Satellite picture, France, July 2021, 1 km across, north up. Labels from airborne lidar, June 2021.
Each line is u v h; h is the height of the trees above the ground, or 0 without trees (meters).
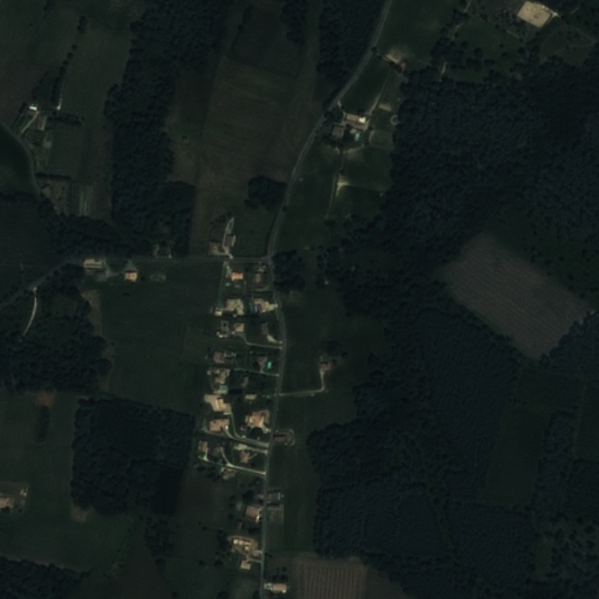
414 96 14
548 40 0
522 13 0
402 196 21
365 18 7
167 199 9
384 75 0
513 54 0
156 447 8
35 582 13
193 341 0
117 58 0
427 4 0
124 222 20
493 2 0
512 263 0
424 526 10
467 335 15
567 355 21
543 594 12
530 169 27
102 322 0
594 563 21
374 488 18
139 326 0
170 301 0
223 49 12
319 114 0
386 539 13
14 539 0
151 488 20
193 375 0
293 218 0
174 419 10
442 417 13
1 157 0
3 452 0
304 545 0
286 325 0
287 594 0
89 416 19
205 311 0
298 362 0
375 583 0
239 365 0
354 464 21
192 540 0
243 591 0
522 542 15
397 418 20
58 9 0
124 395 0
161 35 6
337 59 7
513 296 0
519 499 0
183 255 8
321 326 0
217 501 0
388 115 0
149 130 21
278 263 17
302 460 0
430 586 13
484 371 14
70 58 10
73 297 19
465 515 13
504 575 15
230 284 0
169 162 12
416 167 24
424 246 24
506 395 13
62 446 0
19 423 0
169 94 18
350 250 7
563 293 0
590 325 24
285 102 0
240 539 0
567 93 17
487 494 0
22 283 6
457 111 25
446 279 0
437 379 13
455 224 26
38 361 9
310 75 0
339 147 9
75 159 0
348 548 19
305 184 0
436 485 6
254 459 0
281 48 0
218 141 0
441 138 21
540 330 0
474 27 0
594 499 12
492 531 14
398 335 18
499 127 24
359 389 9
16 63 0
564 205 21
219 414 0
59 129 0
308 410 0
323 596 0
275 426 0
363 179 0
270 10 0
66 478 0
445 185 27
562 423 19
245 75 0
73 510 0
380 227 23
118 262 0
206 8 8
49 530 0
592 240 16
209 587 0
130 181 13
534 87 10
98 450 12
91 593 0
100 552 0
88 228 14
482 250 0
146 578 0
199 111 0
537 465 0
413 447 20
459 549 14
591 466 8
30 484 0
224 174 0
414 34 0
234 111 0
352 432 17
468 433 14
